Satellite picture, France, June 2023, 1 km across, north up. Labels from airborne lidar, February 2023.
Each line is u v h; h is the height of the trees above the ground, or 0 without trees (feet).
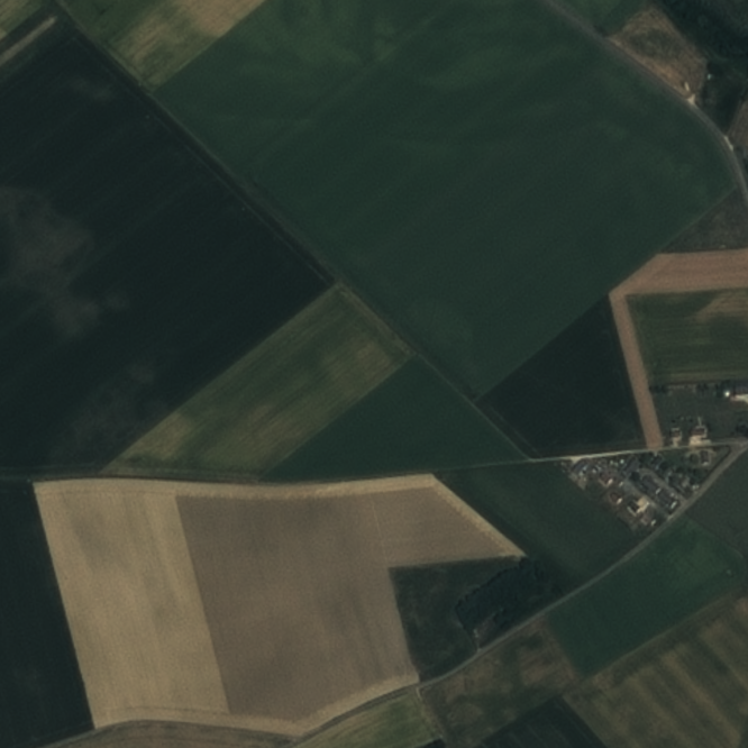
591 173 0
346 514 0
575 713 0
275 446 0
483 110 0
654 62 0
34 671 0
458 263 0
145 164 0
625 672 0
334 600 0
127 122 0
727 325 0
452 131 0
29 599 0
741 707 0
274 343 0
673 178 0
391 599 0
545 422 0
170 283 0
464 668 0
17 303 0
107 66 0
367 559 0
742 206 0
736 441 0
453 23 0
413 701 0
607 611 0
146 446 0
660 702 0
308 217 0
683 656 0
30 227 0
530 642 0
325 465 0
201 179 0
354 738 0
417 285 0
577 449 0
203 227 0
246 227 0
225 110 0
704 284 0
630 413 0
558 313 0
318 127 0
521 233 0
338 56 0
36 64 0
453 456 0
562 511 0
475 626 39
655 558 0
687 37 0
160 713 0
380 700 0
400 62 0
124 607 0
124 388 0
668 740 0
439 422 0
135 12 0
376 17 0
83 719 0
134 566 0
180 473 0
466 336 0
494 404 0
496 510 0
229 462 0
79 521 0
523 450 0
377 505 0
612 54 0
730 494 0
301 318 0
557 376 0
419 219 0
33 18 0
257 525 0
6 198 0
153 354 0
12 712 0
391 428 0
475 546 0
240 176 0
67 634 0
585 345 0
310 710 0
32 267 0
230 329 0
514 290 0
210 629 0
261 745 0
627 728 0
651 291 0
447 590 0
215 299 0
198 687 0
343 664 0
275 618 0
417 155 0
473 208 0
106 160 0
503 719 0
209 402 0
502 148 0
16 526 0
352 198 0
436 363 0
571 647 0
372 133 0
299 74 0
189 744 0
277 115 0
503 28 0
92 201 0
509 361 0
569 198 0
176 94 0
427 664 0
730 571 0
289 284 0
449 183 0
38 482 0
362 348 0
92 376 0
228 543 0
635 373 0
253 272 0
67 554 0
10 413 0
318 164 0
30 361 0
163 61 0
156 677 0
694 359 0
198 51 0
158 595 0
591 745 0
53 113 0
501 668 0
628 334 0
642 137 0
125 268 0
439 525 0
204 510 0
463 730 0
